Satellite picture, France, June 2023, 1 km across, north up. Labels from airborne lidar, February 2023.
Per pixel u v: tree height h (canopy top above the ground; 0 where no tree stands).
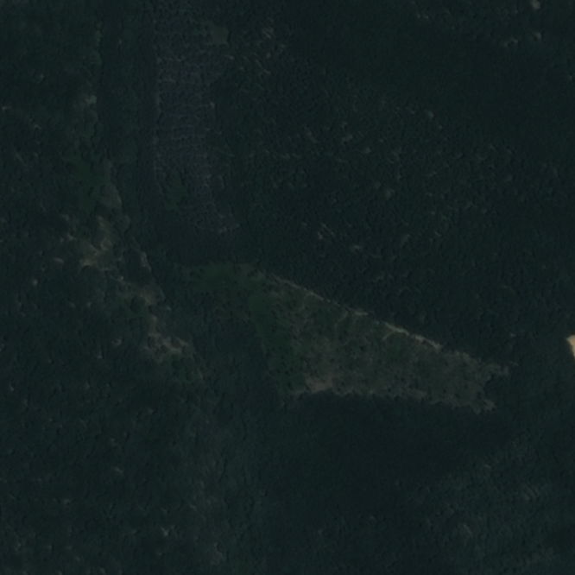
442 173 22
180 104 22
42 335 28
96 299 26
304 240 22
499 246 23
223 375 19
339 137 17
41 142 25
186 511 19
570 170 23
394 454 24
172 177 21
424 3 25
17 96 24
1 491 27
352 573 15
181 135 20
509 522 20
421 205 19
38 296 26
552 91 25
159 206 18
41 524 28
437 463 23
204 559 22
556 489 24
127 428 30
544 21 23
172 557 22
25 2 21
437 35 23
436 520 23
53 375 25
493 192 24
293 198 22
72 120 25
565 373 21
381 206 21
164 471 24
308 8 19
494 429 23
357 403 21
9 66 22
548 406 21
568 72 25
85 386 28
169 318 21
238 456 20
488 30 23
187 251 17
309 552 15
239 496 20
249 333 17
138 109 7
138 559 23
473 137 24
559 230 20
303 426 23
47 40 23
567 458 24
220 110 18
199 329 23
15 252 23
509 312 25
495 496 20
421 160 22
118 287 15
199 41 17
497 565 24
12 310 25
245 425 19
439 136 21
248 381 19
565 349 20
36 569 27
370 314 22
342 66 22
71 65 21
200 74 23
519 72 24
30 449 28
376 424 24
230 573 18
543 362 18
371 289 24
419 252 22
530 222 20
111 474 29
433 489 23
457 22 22
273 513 20
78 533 26
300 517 16
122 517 26
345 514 24
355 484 26
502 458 27
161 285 17
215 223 18
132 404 19
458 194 22
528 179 22
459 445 23
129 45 17
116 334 24
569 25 20
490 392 23
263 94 18
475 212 20
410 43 21
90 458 26
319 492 19
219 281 0
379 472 25
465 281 14
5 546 25
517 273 24
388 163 22
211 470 23
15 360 25
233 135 18
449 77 22
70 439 28
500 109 21
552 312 22
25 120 23
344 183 24
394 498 24
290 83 23
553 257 23
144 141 16
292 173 23
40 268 25
